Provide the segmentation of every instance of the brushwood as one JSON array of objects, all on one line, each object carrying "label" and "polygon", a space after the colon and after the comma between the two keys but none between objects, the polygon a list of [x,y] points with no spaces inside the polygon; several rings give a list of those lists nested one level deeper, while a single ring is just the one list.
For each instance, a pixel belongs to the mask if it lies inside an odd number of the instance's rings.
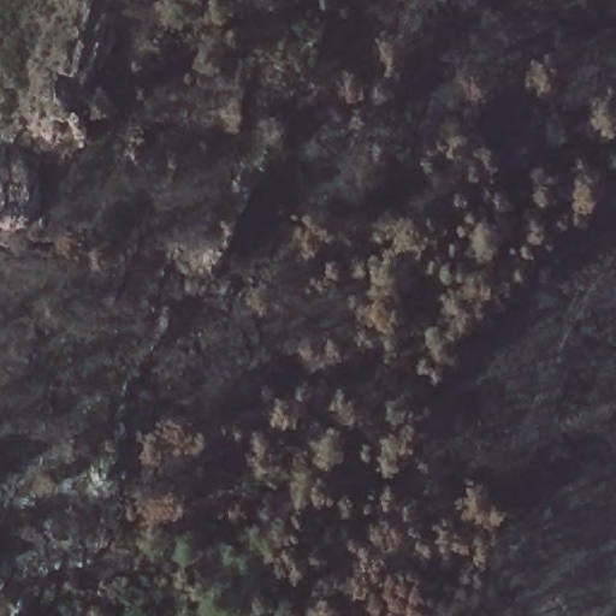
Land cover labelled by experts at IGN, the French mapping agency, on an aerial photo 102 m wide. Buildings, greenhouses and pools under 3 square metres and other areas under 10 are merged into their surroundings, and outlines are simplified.
[{"label": "brushwood", "polygon": [[53,14],[55,5],[51,0],[0,0],[0,130],[12,125],[12,113],[19,106],[17,96],[29,87],[26,60],[39,36],[36,19]]}]

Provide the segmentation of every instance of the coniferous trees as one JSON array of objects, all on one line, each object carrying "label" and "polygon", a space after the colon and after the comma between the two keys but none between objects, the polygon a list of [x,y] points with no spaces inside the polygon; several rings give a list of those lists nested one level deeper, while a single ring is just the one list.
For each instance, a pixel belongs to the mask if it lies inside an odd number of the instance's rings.
[{"label": "coniferous trees", "polygon": [[616,0],[582,0],[580,10],[590,19],[616,19]]},{"label": "coniferous trees", "polygon": [[255,419],[253,452],[248,460],[253,469],[243,476],[238,486],[217,488],[205,498],[195,498],[185,508],[173,496],[149,498],[147,493],[135,491],[135,503],[125,508],[125,520],[132,520],[142,527],[135,570],[128,570],[128,578],[116,580],[113,585],[99,582],[94,590],[77,590],[72,582],[65,582],[55,592],[46,590],[43,602],[22,609],[17,616],[445,616],[452,604],[460,602],[491,604],[505,587],[513,585],[515,570],[527,570],[532,565],[537,546],[525,541],[513,520],[513,515],[525,513],[525,501],[517,496],[503,496],[496,491],[486,493],[476,503],[476,488],[467,488],[464,493],[460,488],[443,503],[443,508],[426,510],[419,508],[402,491],[404,481],[411,476],[411,469],[416,467],[414,460],[431,455],[433,445],[421,438],[416,404],[407,390],[399,387],[399,383],[407,380],[411,371],[419,371],[421,375],[431,378],[431,383],[438,383],[438,373],[443,371],[443,366],[455,366],[455,356],[448,356],[443,351],[445,344],[455,342],[467,325],[481,320],[481,315],[515,318],[520,313],[517,298],[532,286],[553,284],[556,277],[568,272],[570,267],[565,257],[568,248],[575,241],[602,229],[602,214],[597,209],[616,209],[616,84],[597,82],[592,77],[592,63],[578,60],[570,29],[553,29],[546,39],[546,46],[537,53],[529,53],[517,67],[527,75],[525,84],[541,94],[534,106],[534,116],[539,118],[539,135],[534,156],[522,159],[517,166],[510,166],[505,152],[498,144],[491,144],[476,135],[476,130],[481,130],[486,123],[484,79],[472,72],[469,63],[452,60],[448,65],[448,77],[452,79],[452,84],[445,91],[443,111],[436,125],[431,128],[431,135],[421,140],[414,154],[392,154],[385,144],[371,144],[366,149],[359,149],[354,154],[354,180],[349,190],[339,195],[332,207],[318,209],[313,217],[303,217],[303,224],[294,231],[294,241],[301,248],[301,255],[306,257],[303,277],[291,286],[279,286],[274,294],[260,294],[265,303],[265,315],[284,325],[284,351],[294,363],[294,375],[270,380],[262,390],[262,404],[272,414],[272,419],[267,419],[262,411]]},{"label": "coniferous trees", "polygon": [[205,34],[193,65],[200,75],[209,75],[214,65],[207,60],[207,55],[214,48],[214,39]]},{"label": "coniferous trees", "polygon": [[180,29],[226,22],[231,29],[226,31],[229,46],[233,46],[233,34],[243,31],[241,10],[248,7],[253,0],[164,0],[154,5],[159,12],[159,22],[164,26]]},{"label": "coniferous trees", "polygon": [[176,414],[173,419],[159,421],[152,433],[137,433],[137,443],[142,445],[142,462],[159,464],[164,460],[183,460],[202,452],[205,428]]},{"label": "coniferous trees", "polygon": [[229,101],[221,108],[221,120],[229,132],[236,132],[241,123],[241,111],[236,101]]}]

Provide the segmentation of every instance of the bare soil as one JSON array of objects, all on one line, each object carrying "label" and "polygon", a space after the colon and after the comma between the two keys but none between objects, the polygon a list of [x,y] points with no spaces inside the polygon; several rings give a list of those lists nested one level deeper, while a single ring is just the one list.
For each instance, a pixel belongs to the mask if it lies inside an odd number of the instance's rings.
[{"label": "bare soil", "polygon": [[[294,241],[294,231],[303,224],[303,217],[313,217],[318,209],[332,207],[339,195],[349,190],[354,180],[354,154],[359,149],[366,149],[371,144],[385,144],[392,154],[414,154],[421,140],[431,135],[431,128],[436,125],[443,111],[445,91],[452,84],[452,79],[448,77],[448,65],[452,60],[469,63],[472,72],[484,79],[486,123],[481,130],[476,130],[476,135],[491,144],[498,144],[505,152],[510,166],[517,166],[522,159],[534,156],[539,135],[539,118],[534,116],[534,106],[541,94],[525,84],[527,75],[517,67],[529,53],[537,53],[546,46],[546,39],[553,29],[570,29],[578,60],[592,63],[592,77],[597,82],[616,84],[616,19],[590,19],[580,10],[582,0],[253,0],[248,7],[241,10],[243,31],[233,34],[233,46],[229,46],[226,31],[231,29],[226,22],[180,29],[164,26],[159,22],[159,12],[154,5],[164,0],[51,0],[55,5],[53,14],[36,19],[39,36],[26,60],[29,87],[17,96],[19,106],[12,113],[12,125],[0,130],[0,616],[17,616],[22,609],[43,602],[46,590],[55,592],[65,582],[72,582],[77,590],[94,590],[99,582],[113,585],[116,580],[128,578],[128,570],[135,570],[142,527],[132,520],[125,520],[125,508],[135,503],[135,491],[147,493],[149,498],[173,496],[185,508],[195,498],[205,498],[217,488],[238,486],[243,476],[253,469],[248,460],[253,452],[255,419],[262,411],[267,419],[272,419],[272,414],[262,404],[262,390],[270,380],[294,375],[294,363],[284,351],[284,325],[265,315],[265,303],[260,294],[274,294],[279,286],[291,286],[303,277],[306,257],[301,255],[301,248]],[[214,65],[209,75],[200,75],[193,65],[205,34],[214,39],[214,48],[207,55],[207,60]],[[236,132],[229,132],[221,120],[221,108],[229,101],[236,101],[241,111],[241,123]],[[152,433],[159,421],[173,419],[176,414],[205,428],[202,452],[183,460],[164,460],[159,464],[142,462],[142,445],[137,443],[137,433]]]},{"label": "bare soil", "polygon": [[448,356],[455,356],[455,366],[443,366],[443,371],[438,373],[438,383],[431,383],[431,378],[421,375],[419,371],[411,371],[407,380],[399,383],[399,387],[407,390],[416,404],[421,438],[433,445],[431,455],[414,460],[416,467],[411,469],[411,476],[404,481],[402,491],[419,508],[426,510],[443,508],[443,503],[460,488],[464,493],[467,488],[476,488],[476,503],[486,493],[496,491],[503,496],[517,496],[525,501],[525,513],[513,515],[513,520],[525,541],[537,546],[532,565],[527,570],[515,570],[513,585],[505,587],[491,604],[460,602],[452,604],[445,616],[616,616],[616,209],[597,209],[602,214],[602,229],[575,241],[568,248],[565,257],[570,267],[568,272],[556,277],[553,284],[532,286],[517,298],[520,313],[515,318],[481,315],[481,320],[467,325],[455,342],[445,344],[443,351]]}]

